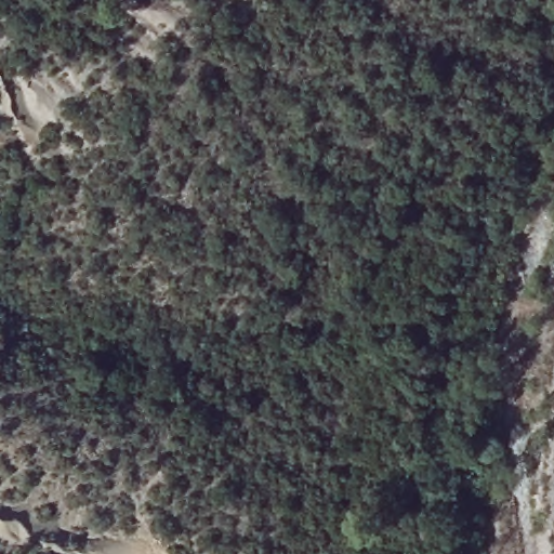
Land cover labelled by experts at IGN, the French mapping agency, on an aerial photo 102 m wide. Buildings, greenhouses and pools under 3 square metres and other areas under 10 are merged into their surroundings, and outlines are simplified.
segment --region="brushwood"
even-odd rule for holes
[[[37,506],[37,517],[43,522],[58,517],[58,506],[50,502]]]
[[[554,338],[550,353],[543,353],[539,348],[532,366],[526,370],[524,377],[526,392],[539,392],[545,396],[552,392],[550,385],[554,370]]]
[[[61,145],[63,126],[45,123],[41,130],[41,141],[35,147],[37,151],[48,151],[50,147]]]
[[[524,450],[541,457],[541,452],[550,450],[552,437],[545,433],[545,428],[537,433],[528,428],[528,433],[524,433]]]
[[[370,496],[368,489],[361,489],[361,493],[357,493],[353,500],[335,500],[331,493],[325,491],[322,485],[303,478],[303,470],[316,470],[318,452],[325,452],[329,457],[335,454],[331,441],[338,426],[338,416],[333,405],[325,405],[314,398],[301,370],[294,372],[296,394],[286,398],[279,407],[273,400],[271,392],[266,392],[264,387],[245,392],[242,368],[234,368],[234,387],[240,392],[236,403],[249,403],[249,416],[240,424],[223,422],[219,435],[206,435],[203,444],[190,446],[180,435],[171,437],[167,433],[158,437],[158,433],[149,424],[134,420],[141,394],[117,398],[115,392],[100,387],[97,392],[89,394],[80,392],[74,385],[74,379],[69,379],[65,372],[74,368],[93,370],[95,366],[89,361],[91,348],[78,348],[78,353],[69,353],[65,348],[65,333],[61,331],[58,320],[67,316],[67,305],[84,307],[89,301],[93,301],[110,314],[110,318],[128,322],[130,327],[134,318],[139,320],[147,316],[154,322],[151,329],[156,333],[162,329],[171,329],[171,340],[186,338],[195,344],[210,344],[214,333],[221,335],[223,329],[234,329],[238,320],[247,322],[247,316],[255,318],[258,307],[266,305],[268,301],[279,301],[283,307],[290,309],[299,307],[303,296],[307,299],[316,294],[309,290],[309,281],[314,279],[316,260],[303,249],[286,251],[286,238],[299,238],[299,223],[303,221],[303,201],[309,201],[309,190],[303,190],[299,184],[290,182],[290,169],[283,164],[283,160],[288,149],[294,149],[294,145],[309,143],[312,134],[320,130],[331,132],[333,136],[340,132],[338,119],[333,115],[318,115],[318,102],[327,97],[338,97],[342,87],[346,84],[353,84],[357,93],[361,93],[366,89],[366,78],[392,78],[394,65],[403,67],[403,74],[409,74],[413,69],[413,61],[426,63],[428,71],[435,76],[439,84],[450,87],[454,67],[459,65],[465,71],[480,74],[485,78],[480,84],[480,100],[487,115],[500,117],[502,123],[515,130],[524,130],[524,119],[511,110],[511,106],[502,106],[502,91],[498,89],[498,84],[509,84],[511,89],[519,87],[519,61],[513,58],[509,52],[496,54],[476,50],[476,35],[485,30],[489,35],[489,41],[498,41],[502,39],[504,30],[511,30],[515,35],[532,32],[539,39],[550,39],[550,19],[543,15],[543,4],[548,0],[186,0],[190,4],[190,15],[177,19],[173,30],[158,39],[158,54],[154,61],[132,56],[128,63],[117,67],[115,78],[121,80],[119,93],[110,95],[106,89],[100,89],[87,97],[67,97],[61,102],[61,113],[71,121],[71,130],[67,134],[67,143],[74,147],[71,156],[43,158],[41,162],[35,162],[26,171],[22,171],[17,154],[6,145],[0,147],[0,199],[9,197],[11,193],[17,195],[17,203],[11,212],[9,240],[4,242],[6,258],[0,266],[0,506],[24,511],[24,500],[30,496],[32,487],[39,485],[45,472],[52,472],[52,476],[61,478],[63,483],[76,480],[80,485],[76,493],[67,496],[67,506],[84,506],[87,519],[82,522],[82,526],[74,526],[69,532],[87,535],[89,530],[100,528],[123,530],[126,535],[134,535],[136,517],[149,513],[151,535],[164,541],[169,554],[342,554],[344,545],[357,550],[372,545],[379,548],[381,539],[377,535],[385,528],[394,528],[405,515],[418,515],[422,498],[416,491],[413,478],[400,487],[383,483],[374,496]]]
[[[522,420],[528,426],[537,420],[543,420],[545,424],[548,420],[554,420],[554,418],[552,409],[545,409],[543,405],[522,409]]]
[[[532,299],[548,305],[535,316],[515,316],[517,329],[528,338],[539,342],[543,325],[554,320],[554,275],[552,275],[552,271],[550,271],[550,266],[541,266],[535,275],[526,275],[524,271],[519,271],[522,290],[517,292],[517,299]]]

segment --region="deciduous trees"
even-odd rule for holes
[[[158,433],[158,437],[167,433],[171,437],[180,435],[190,446],[203,444],[206,435],[219,435],[223,422],[240,424],[249,416],[249,403],[236,403],[240,392],[234,387],[234,368],[242,368],[245,392],[264,387],[266,392],[271,392],[273,400],[279,407],[286,398],[296,394],[294,372],[301,370],[314,398],[325,405],[333,405],[338,416],[338,426],[331,441],[335,454],[329,457],[325,452],[318,452],[316,470],[303,470],[303,478],[322,485],[325,491],[331,493],[335,500],[353,500],[357,493],[361,493],[361,489],[368,489],[370,496],[374,496],[383,483],[400,487],[413,478],[416,491],[422,498],[418,515],[405,515],[394,528],[385,528],[377,535],[381,539],[379,548],[372,545],[357,550],[344,545],[342,554],[489,554],[496,539],[493,522],[498,515],[493,504],[498,504],[504,498],[511,498],[519,485],[515,467],[506,470],[502,446],[493,439],[496,433],[487,424],[491,418],[502,418],[502,407],[496,400],[504,394],[506,387],[500,379],[500,368],[496,364],[500,346],[496,344],[496,316],[500,312],[511,312],[513,301],[517,299],[517,292],[522,290],[519,271],[524,271],[526,251],[530,247],[530,238],[524,234],[526,225],[539,219],[541,210],[550,214],[554,221],[554,0],[548,0],[543,4],[543,15],[550,19],[550,39],[539,39],[532,32],[515,35],[511,30],[504,30],[502,39],[498,41],[489,41],[489,35],[485,30],[476,35],[476,50],[496,54],[509,52],[513,58],[519,61],[519,87],[511,89],[509,84],[498,84],[498,89],[502,91],[502,106],[511,106],[511,110],[524,119],[524,130],[515,130],[502,123],[500,117],[487,115],[480,100],[480,84],[485,78],[480,74],[465,71],[459,65],[454,67],[450,87],[439,84],[435,76],[428,71],[426,63],[413,61],[413,69],[409,74],[403,74],[403,67],[394,65],[392,78],[366,78],[366,89],[361,93],[357,93],[353,84],[346,84],[342,87],[338,97],[327,97],[318,102],[318,115],[333,115],[338,119],[340,132],[333,136],[331,132],[320,130],[312,134],[309,143],[294,145],[294,149],[288,149],[283,160],[283,164],[290,169],[290,182],[299,184],[303,190],[309,190],[309,201],[303,201],[303,221],[299,223],[299,238],[286,238],[286,251],[303,249],[316,260],[314,279],[309,281],[309,290],[316,294],[307,299],[303,296],[299,307],[290,309],[283,307],[279,301],[268,301],[266,305],[258,307],[255,318],[247,316],[247,322],[238,320],[234,329],[223,329],[221,335],[214,333],[210,344],[195,344],[186,338],[171,340],[171,329],[162,329],[156,333],[151,329],[154,322],[147,316],[139,320],[134,318],[130,327],[128,322],[110,318],[110,314],[93,301],[89,301],[84,307],[67,305],[67,316],[58,320],[61,331],[65,333],[65,348],[69,353],[78,353],[78,348],[91,348],[89,361],[95,366],[93,370],[74,368],[65,372],[69,379],[74,379],[74,385],[80,392],[89,394],[97,392],[100,387],[115,392],[117,398],[141,394],[134,420],[149,424]]]
[[[63,56],[71,63],[76,63],[84,52],[91,52],[102,54],[115,63],[123,56],[119,48],[130,48],[136,43],[132,37],[123,35],[126,30],[139,24],[136,17],[132,17],[128,11],[147,9],[154,0],[0,0],[0,67],[11,67],[17,76],[32,78],[41,69],[41,56],[45,50],[61,50]]]
[[[554,236],[550,236],[550,240],[548,240],[548,247],[545,247],[545,251],[543,251],[543,258],[541,258],[541,266],[550,266],[550,271],[552,271],[552,275],[554,275]]]
[[[11,193],[9,197],[0,199],[0,266],[6,258],[4,242],[9,240],[11,212],[17,203],[17,195]]]

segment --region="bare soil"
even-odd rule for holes
[[[554,236],[554,221],[550,214],[541,210],[539,219],[526,225],[524,234],[530,238],[530,247],[526,251],[524,271],[526,275],[535,275],[541,266],[541,258],[543,258],[543,251],[545,251],[545,247],[548,247],[548,240],[550,240],[550,236]]]
[[[539,392],[526,392],[524,377],[526,370],[532,366],[539,348],[543,353],[550,353],[554,338],[554,320],[543,325],[539,342],[528,338],[517,329],[515,316],[535,316],[548,305],[532,299],[517,299],[513,301],[511,312],[500,312],[496,316],[496,344],[500,346],[496,364],[500,368],[500,379],[506,387],[504,394],[496,400],[502,407],[502,418],[491,418],[487,424],[496,433],[493,439],[502,446],[506,470],[515,467],[519,485],[511,498],[504,498],[498,504],[493,504],[498,515],[493,522],[496,539],[489,554],[554,554],[554,420],[548,420],[545,424],[543,420],[537,420],[528,426],[522,420],[522,409],[543,405],[545,409],[552,409],[554,418],[554,370],[550,385],[552,392],[545,396]],[[524,433],[528,433],[528,428],[537,433],[545,428],[545,433],[552,437],[550,450],[541,452],[541,457],[524,450]]]
[[[71,130],[71,121],[61,113],[61,102],[67,97],[87,97],[100,89],[106,89],[110,95],[119,93],[121,80],[115,78],[117,67],[128,63],[132,56],[154,61],[158,54],[158,39],[173,30],[177,19],[190,15],[190,4],[186,0],[154,0],[147,9],[128,11],[132,17],[136,17],[139,24],[126,30],[123,35],[132,37],[136,43],[130,48],[119,48],[123,56],[115,63],[102,54],[91,52],[84,52],[76,63],[71,63],[63,56],[61,50],[45,50],[41,56],[41,69],[32,78],[17,76],[11,67],[0,67],[0,147],[6,145],[17,154],[22,171],[26,171],[35,162],[41,162],[43,158],[71,156],[74,147],[67,143],[67,134]],[[48,151],[37,151],[35,147],[41,141],[41,130],[45,123],[63,126],[61,145],[50,147]]]
[[[169,554],[164,541],[151,535],[149,513],[136,517],[134,535],[126,535],[123,530],[100,528],[89,530],[87,535],[69,532],[74,526],[82,526],[82,522],[87,519],[84,506],[67,506],[67,496],[76,493],[80,485],[76,480],[63,483],[61,478],[52,476],[52,472],[45,472],[39,485],[32,487],[30,496],[24,500],[24,511],[0,506],[0,554]],[[37,517],[37,506],[50,502],[58,506],[58,517],[43,522]]]

